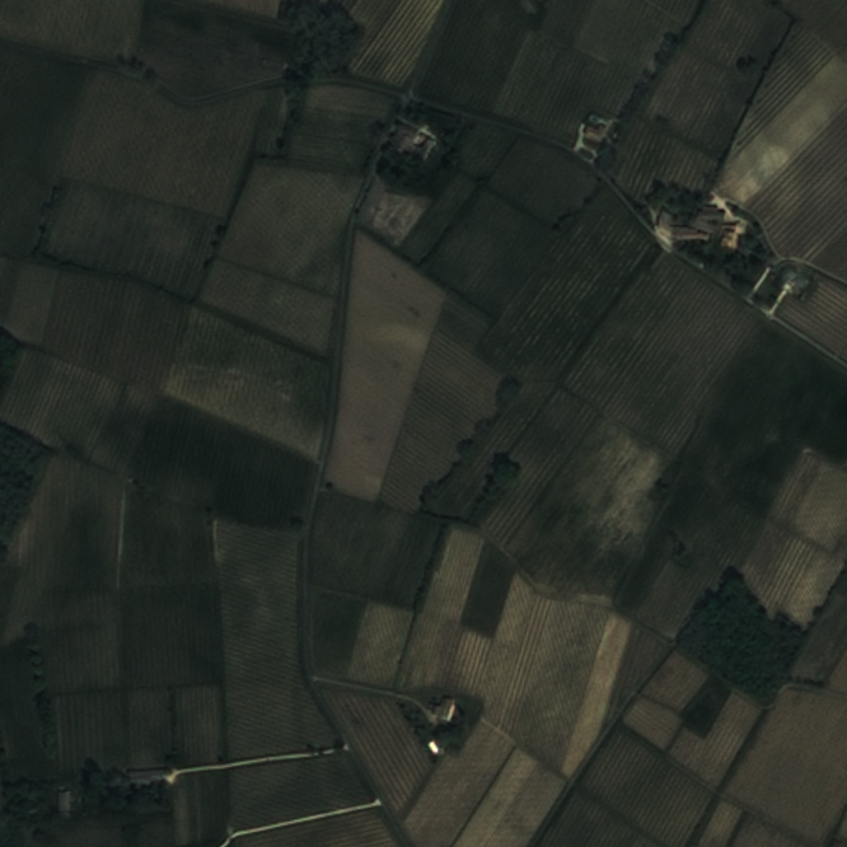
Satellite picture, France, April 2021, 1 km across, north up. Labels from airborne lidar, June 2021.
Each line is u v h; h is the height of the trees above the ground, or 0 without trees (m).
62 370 0
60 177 0
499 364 0
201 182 0
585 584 0
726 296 0
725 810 0
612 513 0
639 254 0
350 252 0
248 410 0
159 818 0
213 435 0
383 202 0
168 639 0
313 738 0
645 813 0
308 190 0
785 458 0
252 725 0
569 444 0
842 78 0
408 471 0
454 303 0
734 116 0
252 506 0
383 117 0
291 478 0
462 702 0
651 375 0
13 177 0
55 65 0
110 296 0
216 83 0
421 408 0
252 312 0
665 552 0
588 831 0
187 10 0
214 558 0
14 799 7
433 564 7
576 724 0
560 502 0
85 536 0
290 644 0
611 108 0
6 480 18
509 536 0
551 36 0
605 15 0
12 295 0
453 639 0
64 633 0
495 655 0
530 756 0
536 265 0
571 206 0
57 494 0
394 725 0
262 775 0
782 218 0
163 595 0
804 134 0
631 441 0
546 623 0
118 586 0
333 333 0
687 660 0
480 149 0
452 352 0
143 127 0
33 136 0
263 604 0
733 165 0
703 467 0
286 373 0
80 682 0
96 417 0
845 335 0
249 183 0
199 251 0
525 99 0
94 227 0
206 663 0
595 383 0
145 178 0
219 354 0
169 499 0
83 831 0
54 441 0
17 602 0
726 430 0
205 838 0
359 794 0
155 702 0
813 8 0
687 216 7
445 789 0
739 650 20
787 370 0
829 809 0
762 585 0
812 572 0
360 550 0
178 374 0
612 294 0
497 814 0
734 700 0
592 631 0
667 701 0
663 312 0
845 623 0
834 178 0
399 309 0
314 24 19
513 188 0
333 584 0
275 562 0
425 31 0
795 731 0
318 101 0
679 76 0
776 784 0
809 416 0
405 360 0
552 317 0
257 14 0
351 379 0
